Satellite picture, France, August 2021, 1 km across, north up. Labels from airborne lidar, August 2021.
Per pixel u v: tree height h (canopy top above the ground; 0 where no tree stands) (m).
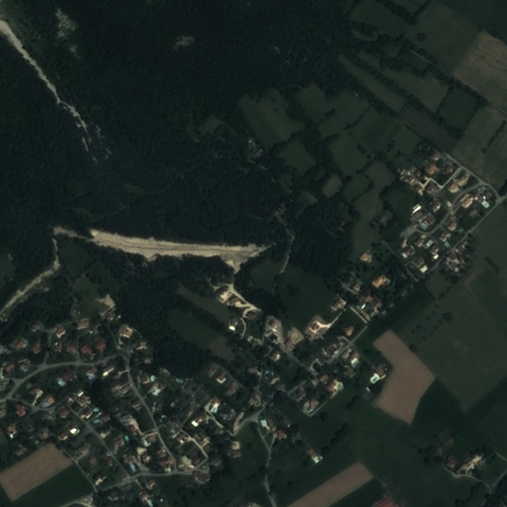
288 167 12
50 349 11
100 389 10
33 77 19
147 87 16
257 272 0
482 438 0
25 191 14
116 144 12
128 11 16
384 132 0
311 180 6
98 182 15
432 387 0
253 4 15
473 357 0
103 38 20
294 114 12
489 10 0
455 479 0
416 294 0
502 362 0
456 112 0
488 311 0
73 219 13
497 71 0
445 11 0
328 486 0
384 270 9
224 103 17
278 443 17
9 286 7
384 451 0
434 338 0
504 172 0
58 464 0
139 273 17
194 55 14
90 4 22
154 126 15
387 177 0
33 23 9
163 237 19
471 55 0
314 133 12
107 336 9
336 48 7
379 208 0
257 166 9
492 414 0
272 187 16
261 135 0
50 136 19
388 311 12
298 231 12
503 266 0
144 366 13
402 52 9
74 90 15
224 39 17
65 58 12
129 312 13
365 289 15
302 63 11
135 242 0
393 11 10
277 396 14
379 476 0
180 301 11
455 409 0
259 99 12
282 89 15
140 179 14
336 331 9
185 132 12
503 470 0
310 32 8
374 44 13
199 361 11
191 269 17
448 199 0
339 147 0
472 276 0
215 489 12
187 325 0
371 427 0
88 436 6
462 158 0
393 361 0
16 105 16
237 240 16
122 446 9
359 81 12
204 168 19
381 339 0
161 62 22
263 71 10
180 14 19
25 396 7
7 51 19
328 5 14
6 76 14
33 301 10
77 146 14
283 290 0
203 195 6
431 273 6
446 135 0
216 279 9
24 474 0
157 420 12
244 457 0
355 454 0
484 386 0
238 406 8
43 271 6
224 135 7
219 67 18
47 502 0
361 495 0
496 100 0
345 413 0
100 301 0
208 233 14
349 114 0
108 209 16
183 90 20
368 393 0
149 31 23
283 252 13
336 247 10
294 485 12
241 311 12
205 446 0
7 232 12
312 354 10
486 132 0
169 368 15
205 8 23
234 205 15
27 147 13
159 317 9
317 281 0
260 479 0
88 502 0
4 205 12
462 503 13
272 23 15
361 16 0
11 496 0
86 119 10
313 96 0
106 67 21
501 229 0
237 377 11
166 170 8
